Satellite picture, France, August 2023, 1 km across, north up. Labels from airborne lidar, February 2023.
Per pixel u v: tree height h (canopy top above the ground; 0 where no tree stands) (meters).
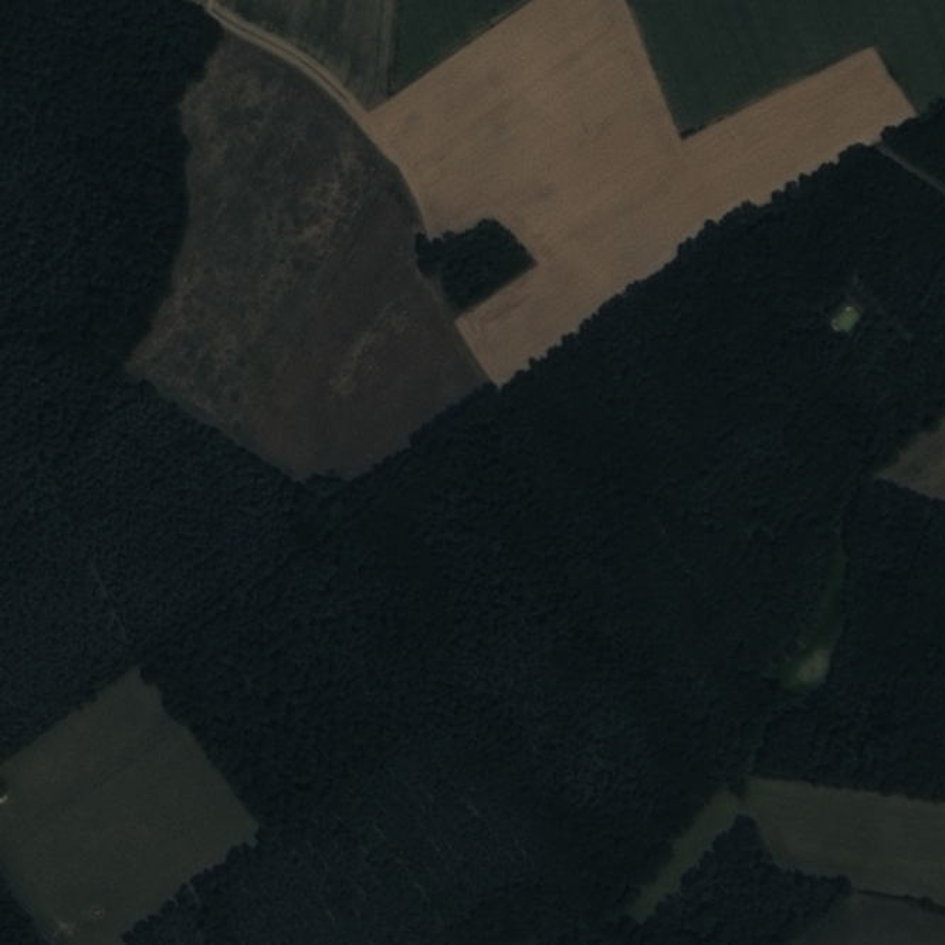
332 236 0
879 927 0
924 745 17
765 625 17
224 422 0
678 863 0
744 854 26
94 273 23
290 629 19
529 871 22
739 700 21
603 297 0
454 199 0
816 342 14
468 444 15
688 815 25
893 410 21
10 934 15
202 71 23
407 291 0
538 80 0
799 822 0
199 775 0
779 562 19
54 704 19
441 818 23
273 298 0
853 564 12
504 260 5
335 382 0
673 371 14
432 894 17
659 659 17
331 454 0
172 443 11
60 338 18
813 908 19
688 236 0
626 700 19
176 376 0
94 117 19
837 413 14
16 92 16
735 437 22
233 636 18
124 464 16
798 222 16
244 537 13
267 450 0
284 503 16
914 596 16
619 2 0
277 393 0
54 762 0
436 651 15
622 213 0
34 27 18
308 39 0
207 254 0
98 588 18
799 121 0
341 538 15
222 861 0
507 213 0
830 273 18
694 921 24
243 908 21
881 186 17
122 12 12
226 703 16
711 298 20
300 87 0
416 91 0
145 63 17
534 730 20
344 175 0
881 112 0
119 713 0
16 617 18
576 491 13
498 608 21
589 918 28
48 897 0
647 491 11
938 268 22
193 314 0
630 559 13
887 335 8
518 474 13
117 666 19
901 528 11
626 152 0
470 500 11
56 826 0
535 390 13
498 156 0
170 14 14
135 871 0
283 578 20
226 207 0
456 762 20
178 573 12
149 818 0
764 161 0
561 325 0
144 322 21
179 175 19
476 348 0
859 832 0
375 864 19
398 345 0
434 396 0
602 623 12
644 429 17
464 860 19
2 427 13
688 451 16
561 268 0
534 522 16
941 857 0
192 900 22
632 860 19
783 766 23
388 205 0
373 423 0
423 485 15
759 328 18
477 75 0
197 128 0
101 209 19
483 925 18
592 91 0
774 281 21
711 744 18
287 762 23
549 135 0
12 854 0
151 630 12
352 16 0
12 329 14
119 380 10
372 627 21
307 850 21
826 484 20
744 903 23
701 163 0
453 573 21
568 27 0
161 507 10
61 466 17
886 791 20
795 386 15
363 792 18
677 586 16
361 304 0
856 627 13
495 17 0
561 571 15
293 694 16
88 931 0
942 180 8
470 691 17
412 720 22
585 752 23
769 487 13
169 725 0
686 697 20
